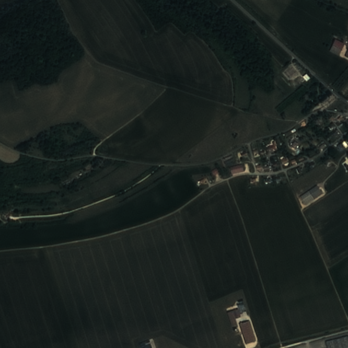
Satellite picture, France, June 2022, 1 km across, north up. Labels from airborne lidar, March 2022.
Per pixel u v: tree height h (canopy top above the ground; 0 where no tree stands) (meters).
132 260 0
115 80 0
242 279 0
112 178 0
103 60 0
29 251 0
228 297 0
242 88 0
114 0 0
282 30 0
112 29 0
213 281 0
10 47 18
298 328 0
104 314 0
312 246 0
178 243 0
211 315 0
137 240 0
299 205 0
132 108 0
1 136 0
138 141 0
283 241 0
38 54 12
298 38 0
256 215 0
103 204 0
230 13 5
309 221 0
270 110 0
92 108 0
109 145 0
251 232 0
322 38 0
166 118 0
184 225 0
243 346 0
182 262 0
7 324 0
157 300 0
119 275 0
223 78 0
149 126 0
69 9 0
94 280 0
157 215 0
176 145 0
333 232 0
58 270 0
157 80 0
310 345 0
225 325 0
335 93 0
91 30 0
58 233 0
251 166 0
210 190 0
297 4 0
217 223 0
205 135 0
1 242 0
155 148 0
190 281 0
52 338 0
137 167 0
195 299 0
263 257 0
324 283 0
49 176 6
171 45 0
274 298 0
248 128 0
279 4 0
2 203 7
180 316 0
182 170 0
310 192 0
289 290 0
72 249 0
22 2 16
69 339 0
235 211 0
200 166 0
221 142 0
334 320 0
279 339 0
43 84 9
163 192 0
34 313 0
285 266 0
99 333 0
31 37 15
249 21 0
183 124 0
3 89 0
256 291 0
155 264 0
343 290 0
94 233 0
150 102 0
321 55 0
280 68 0
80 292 0
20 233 0
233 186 0
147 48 0
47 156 7
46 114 0
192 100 0
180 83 0
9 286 0
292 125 0
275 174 0
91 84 0
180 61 0
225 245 0
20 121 0
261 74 10
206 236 0
